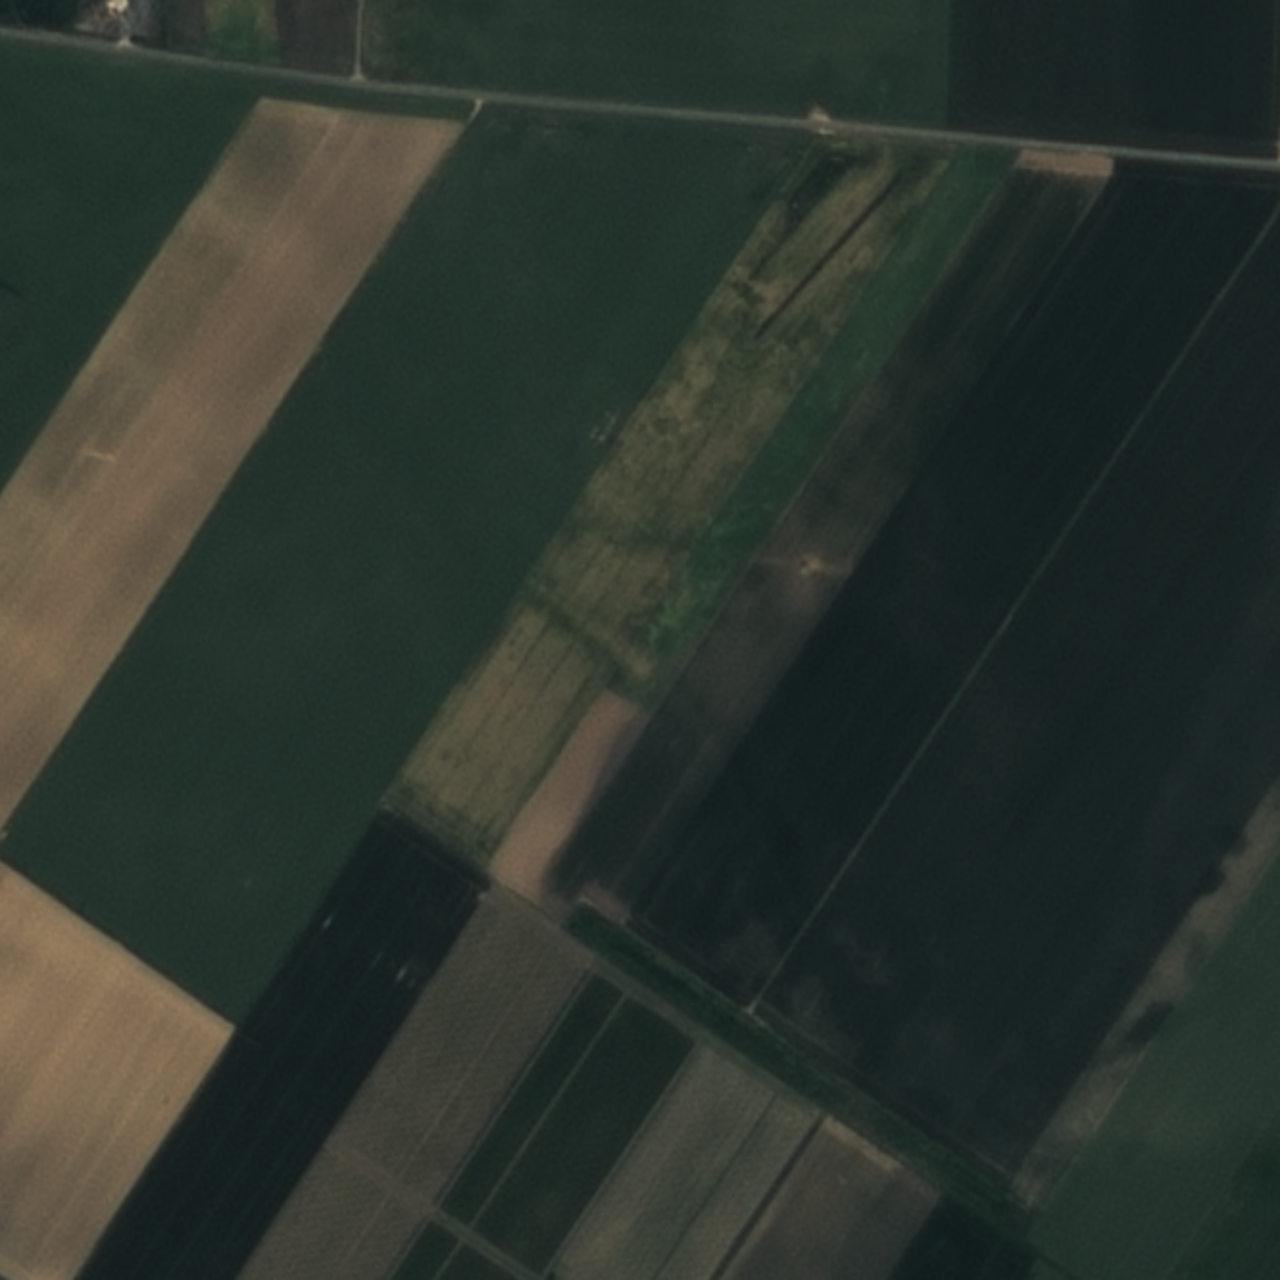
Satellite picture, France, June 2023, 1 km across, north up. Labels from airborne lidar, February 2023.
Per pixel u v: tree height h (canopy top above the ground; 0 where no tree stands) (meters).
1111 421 0
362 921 0
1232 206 0
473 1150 0
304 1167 0
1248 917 0
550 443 0
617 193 0
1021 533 0
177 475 0
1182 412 0
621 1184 0
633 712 0
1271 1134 0
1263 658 0
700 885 0
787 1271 0
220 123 0
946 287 0
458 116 0
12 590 0
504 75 0
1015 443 0
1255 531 0
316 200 0
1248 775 0
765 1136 0
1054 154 0
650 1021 0
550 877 0
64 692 0
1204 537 0
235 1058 0
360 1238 0
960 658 0
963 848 0
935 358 0
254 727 0
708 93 0
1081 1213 0
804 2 0
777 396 0
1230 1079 0
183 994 0
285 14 0
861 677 0
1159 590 0
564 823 0
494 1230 0
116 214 0
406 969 0
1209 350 0
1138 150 0
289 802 0
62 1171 0
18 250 0
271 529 0
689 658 0
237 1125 0
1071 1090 0
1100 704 0
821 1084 0
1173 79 0
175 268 0
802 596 0
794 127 0
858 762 0
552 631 0
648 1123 0
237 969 0
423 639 0
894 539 0
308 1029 0
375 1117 0
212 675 0
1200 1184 0
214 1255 0
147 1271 0
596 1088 0
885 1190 0
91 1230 0
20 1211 0
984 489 0
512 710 0
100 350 0
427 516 0
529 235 0
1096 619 0
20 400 0
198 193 0
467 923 0
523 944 0
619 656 0
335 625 0
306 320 0
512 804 0
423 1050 0
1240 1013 0
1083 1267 0
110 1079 0
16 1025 0
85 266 0
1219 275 0
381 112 0
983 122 0
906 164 0
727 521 0
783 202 0
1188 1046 0
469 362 0
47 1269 0
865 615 0
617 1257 0
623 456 0
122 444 0
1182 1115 0
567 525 0
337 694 0
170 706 0
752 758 0
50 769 0
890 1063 0
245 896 0
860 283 0
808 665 0
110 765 0
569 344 0
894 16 0
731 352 0
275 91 0
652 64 0
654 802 0
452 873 0
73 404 0
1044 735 0
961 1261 0
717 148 0
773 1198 0
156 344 0
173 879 0
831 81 0
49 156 0
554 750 0
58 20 14
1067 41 0
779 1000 0
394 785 0
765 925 0
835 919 0
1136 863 0
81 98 0
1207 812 0
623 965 0
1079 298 0
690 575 0
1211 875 0
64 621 0
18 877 0
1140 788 0
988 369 0
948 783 0
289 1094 0
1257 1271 0
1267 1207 0
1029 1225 0
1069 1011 0
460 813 0
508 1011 0
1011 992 0
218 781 0
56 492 0
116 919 0
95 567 0
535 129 0
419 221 0
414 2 0
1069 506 0
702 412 0
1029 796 0
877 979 0
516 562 0
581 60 0
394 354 0
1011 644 0
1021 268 0
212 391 0
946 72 0
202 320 0
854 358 0
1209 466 0
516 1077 0
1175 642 0
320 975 0
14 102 0
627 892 0
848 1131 0
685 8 0
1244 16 0
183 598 0
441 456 0
